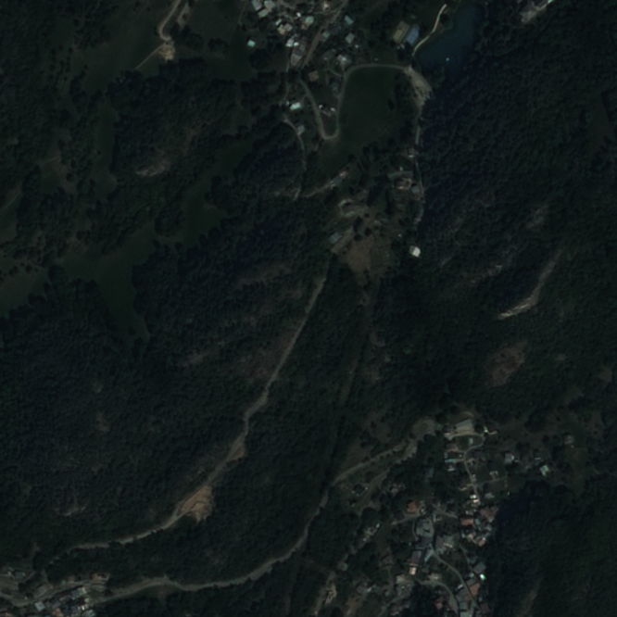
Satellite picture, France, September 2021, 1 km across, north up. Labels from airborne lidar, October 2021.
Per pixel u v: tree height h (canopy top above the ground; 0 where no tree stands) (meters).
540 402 13
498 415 9
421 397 25
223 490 16
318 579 13
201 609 12
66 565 18
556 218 20
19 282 0
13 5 25
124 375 24
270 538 11
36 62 26
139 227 18
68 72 6
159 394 17
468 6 0
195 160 19
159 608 25
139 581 7
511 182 14
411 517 0
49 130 13
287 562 9
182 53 0
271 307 7
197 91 11
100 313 20
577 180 22
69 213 25
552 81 9
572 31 24
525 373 10
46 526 9
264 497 17
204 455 6
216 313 20
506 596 21
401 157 6
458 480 6
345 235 0
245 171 16
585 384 12
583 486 0
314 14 9
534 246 16
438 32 0
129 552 7
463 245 12
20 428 14
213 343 13
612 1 17
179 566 8
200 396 18
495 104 20
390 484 12
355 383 9
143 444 10
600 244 11
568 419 0
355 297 14
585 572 17
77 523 14
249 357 9
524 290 12
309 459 15
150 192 19
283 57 0
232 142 15
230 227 18
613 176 8
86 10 22
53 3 24
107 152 0
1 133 13
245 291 13
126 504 16
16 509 14
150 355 16
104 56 0
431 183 7
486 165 19
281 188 11
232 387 14
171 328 14
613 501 13
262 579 7
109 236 16
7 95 15
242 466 12
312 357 8
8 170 15
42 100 21
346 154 0
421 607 20
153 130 10
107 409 13
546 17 7
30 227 17
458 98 9
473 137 8
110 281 0
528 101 15
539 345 11
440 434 13
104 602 6
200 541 17
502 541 14
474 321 16
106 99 9
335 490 18
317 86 8
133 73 0
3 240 0
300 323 12
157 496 7
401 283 21
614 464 8
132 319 0
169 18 0
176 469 18
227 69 0
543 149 18
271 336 11
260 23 10
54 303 17
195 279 17
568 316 9
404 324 23
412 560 0
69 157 11
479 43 18
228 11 0
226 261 24
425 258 10
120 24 0
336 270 18
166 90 19
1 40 19
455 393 24
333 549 11
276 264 11
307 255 14
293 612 12
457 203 14
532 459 5
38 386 13
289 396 9
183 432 11
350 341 14
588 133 25
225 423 21
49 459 8
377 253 0
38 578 14
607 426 10
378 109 0
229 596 14
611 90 27
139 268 0
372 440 13
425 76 11
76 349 22
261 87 15
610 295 15
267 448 12
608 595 13
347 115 0
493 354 8
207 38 0
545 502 18
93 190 12
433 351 11
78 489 8
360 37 5
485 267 9
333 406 13
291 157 13
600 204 16
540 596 20
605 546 16
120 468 16
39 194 27
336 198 18
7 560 15
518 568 16
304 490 21
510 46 12
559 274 16
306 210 13
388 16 12
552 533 13
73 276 0
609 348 16
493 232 15
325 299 14
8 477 11
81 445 15
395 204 16
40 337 24
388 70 0
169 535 6
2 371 15
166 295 22
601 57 21
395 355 12
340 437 12
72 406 10
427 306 22
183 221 11
